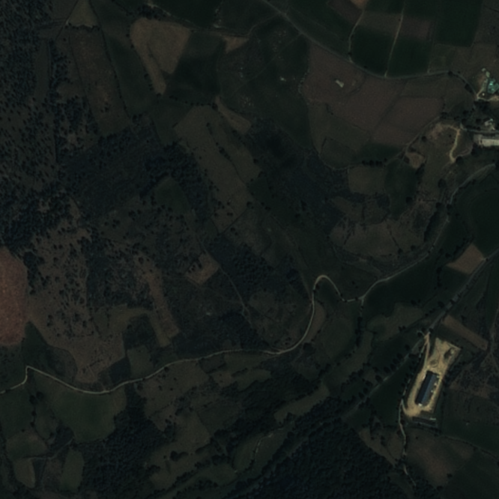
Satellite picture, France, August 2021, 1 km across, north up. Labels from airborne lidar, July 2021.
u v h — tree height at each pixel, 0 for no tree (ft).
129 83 0
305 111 0
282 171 0
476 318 0
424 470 0
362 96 0
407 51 0
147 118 0
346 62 0
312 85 0
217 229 0
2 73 34
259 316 0
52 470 0
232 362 0
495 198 0
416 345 0
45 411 0
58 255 0
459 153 0
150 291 0
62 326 0
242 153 0
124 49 0
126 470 76
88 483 26
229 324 61
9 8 53
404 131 0
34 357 0
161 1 0
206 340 0
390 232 0
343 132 0
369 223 0
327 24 0
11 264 0
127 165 0
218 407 0
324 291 0
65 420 0
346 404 38
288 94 0
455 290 0
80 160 0
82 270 0
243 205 0
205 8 0
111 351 0
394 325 0
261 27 0
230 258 0
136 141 0
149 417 18
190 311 0
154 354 0
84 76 0
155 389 0
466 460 0
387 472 38
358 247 0
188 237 0
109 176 0
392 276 0
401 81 0
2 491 0
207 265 0
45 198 29
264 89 0
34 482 0
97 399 0
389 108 0
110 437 28
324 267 0
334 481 41
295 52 0
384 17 0
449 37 0
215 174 0
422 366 0
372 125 0
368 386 54
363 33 0
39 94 0
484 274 0
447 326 0
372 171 0
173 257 0
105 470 72
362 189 0
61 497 0
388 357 0
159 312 0
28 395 0
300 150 0
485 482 0
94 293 0
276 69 0
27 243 44
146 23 0
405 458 27
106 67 0
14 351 0
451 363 0
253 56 0
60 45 0
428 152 0
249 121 0
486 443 0
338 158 0
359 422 0
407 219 0
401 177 0
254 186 0
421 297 0
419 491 35
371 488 39
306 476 38
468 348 0
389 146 0
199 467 58
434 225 60
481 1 0
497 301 0
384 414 0
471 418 0
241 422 46
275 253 0
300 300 0
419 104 0
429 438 0
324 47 0
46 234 36
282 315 0
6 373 0
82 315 0
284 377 20
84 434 0
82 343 0
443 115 28
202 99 0
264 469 25
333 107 0
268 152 0
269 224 0
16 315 0
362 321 49
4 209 42
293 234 0
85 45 0
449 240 0
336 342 0
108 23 0
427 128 0
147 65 0
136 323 0
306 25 0
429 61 0
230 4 0
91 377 0
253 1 0
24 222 41
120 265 0
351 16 0
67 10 0
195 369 0
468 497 0
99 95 0
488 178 0
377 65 0
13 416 0
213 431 0
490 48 0
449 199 22
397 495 37
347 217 0
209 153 0
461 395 0
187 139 0
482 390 0
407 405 0
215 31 0
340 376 0
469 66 0
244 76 0
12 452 0
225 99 0
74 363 0
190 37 0
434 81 0
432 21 0
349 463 35
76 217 0
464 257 0
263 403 30
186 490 29
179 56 0
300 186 0
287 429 0
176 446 0
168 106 0
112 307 0
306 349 44
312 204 0
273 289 0
